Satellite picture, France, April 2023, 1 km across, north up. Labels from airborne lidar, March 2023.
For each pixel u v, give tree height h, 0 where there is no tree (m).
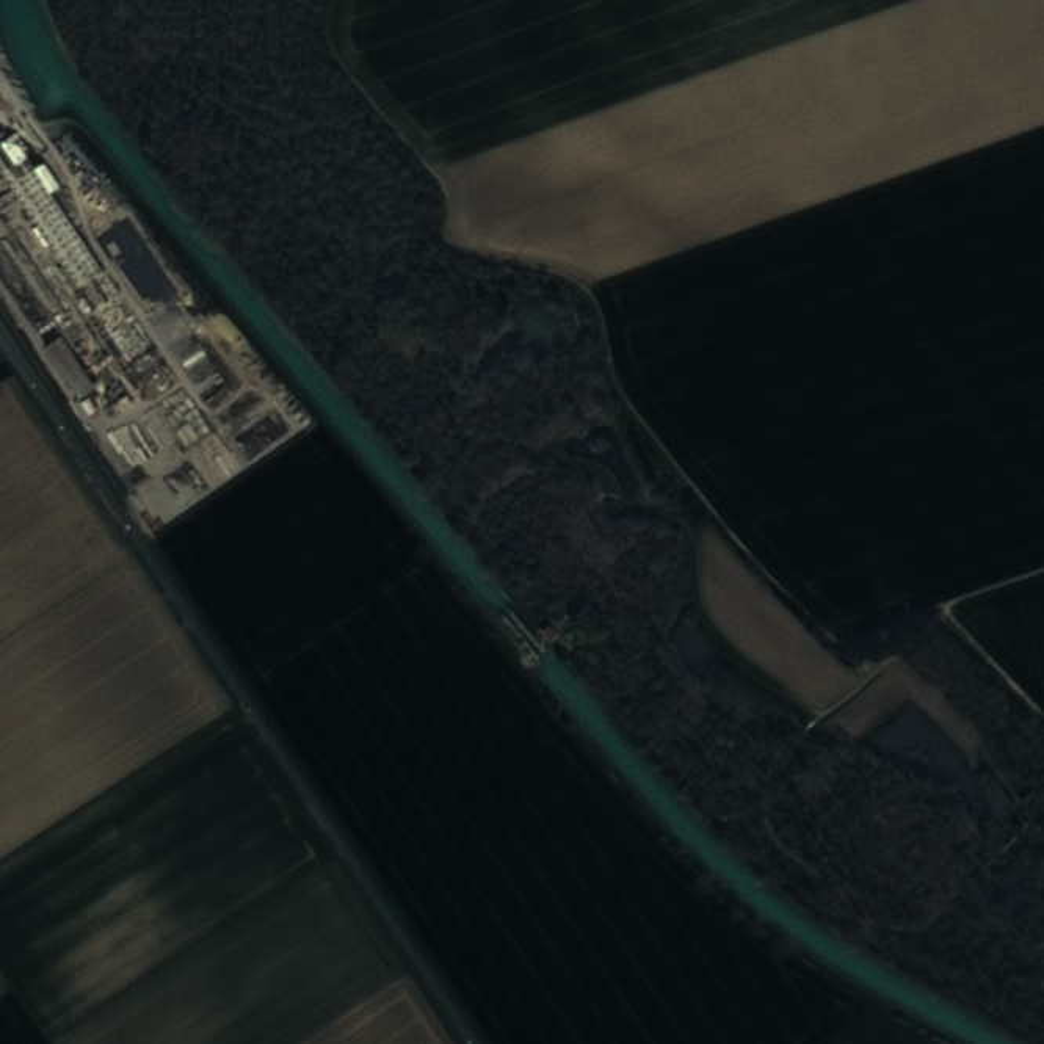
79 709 0
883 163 0
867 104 0
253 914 0
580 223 0
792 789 22
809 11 0
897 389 0
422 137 0
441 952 0
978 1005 16
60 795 0
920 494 0
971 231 0
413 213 21
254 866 0
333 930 0
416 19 0
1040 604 0
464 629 0
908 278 0
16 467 0
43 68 0
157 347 0
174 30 24
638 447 6
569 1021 0
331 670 0
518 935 0
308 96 6
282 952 0
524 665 0
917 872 22
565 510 20
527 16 0
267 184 21
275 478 0
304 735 0
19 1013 0
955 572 0
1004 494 0
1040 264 0
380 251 9
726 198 0
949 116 0
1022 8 0
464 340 25
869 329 0
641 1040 0
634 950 0
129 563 0
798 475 0
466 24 0
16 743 0
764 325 0
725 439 0
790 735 22
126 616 0
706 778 27
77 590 0
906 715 0
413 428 10
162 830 0
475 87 0
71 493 0
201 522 0
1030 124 0
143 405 0
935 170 0
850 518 0
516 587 10
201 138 23
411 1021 0
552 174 0
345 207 11
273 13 20
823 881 29
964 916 17
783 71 0
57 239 0
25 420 0
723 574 0
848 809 9
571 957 0
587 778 0
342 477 0
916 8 0
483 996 0
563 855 0
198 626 0
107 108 15
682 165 0
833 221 0
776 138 0
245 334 0
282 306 19
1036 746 22
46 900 0
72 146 0
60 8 24
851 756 17
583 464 0
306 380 0
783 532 0
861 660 10
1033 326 0
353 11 0
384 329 20
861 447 0
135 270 0
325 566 0
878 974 0
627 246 0
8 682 0
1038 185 0
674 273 0
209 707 0
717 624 0
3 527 0
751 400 0
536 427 7
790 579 0
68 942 0
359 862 0
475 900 0
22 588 0
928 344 0
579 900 0
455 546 0
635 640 23
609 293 0
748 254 0
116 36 22
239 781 0
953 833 21
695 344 0
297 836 0
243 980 0
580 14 0
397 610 0
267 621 0
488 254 0
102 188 0
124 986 0
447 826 0
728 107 0
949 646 22
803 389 0
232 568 0
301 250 11
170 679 0
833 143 0
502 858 0
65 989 0
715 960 0
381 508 0
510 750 0
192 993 0
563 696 0
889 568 0
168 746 0
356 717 0
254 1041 0
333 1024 0
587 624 28
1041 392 0
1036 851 23
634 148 0
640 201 0
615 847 0
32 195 0
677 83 0
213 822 0
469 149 0
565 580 8
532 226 0
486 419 8
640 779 0
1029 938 23
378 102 0
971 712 20
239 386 0
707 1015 0
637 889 0
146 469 0
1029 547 0
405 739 0
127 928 0
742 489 0
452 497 5
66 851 0
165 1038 0
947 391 0
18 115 0
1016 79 0
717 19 0
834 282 0
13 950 0
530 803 0
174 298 0
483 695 0
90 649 0
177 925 0
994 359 0
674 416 0
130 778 0
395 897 0
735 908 17
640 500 0
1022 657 0
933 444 0
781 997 0
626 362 0
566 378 16
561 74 0
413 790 0
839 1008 0
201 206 27
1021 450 0
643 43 0
